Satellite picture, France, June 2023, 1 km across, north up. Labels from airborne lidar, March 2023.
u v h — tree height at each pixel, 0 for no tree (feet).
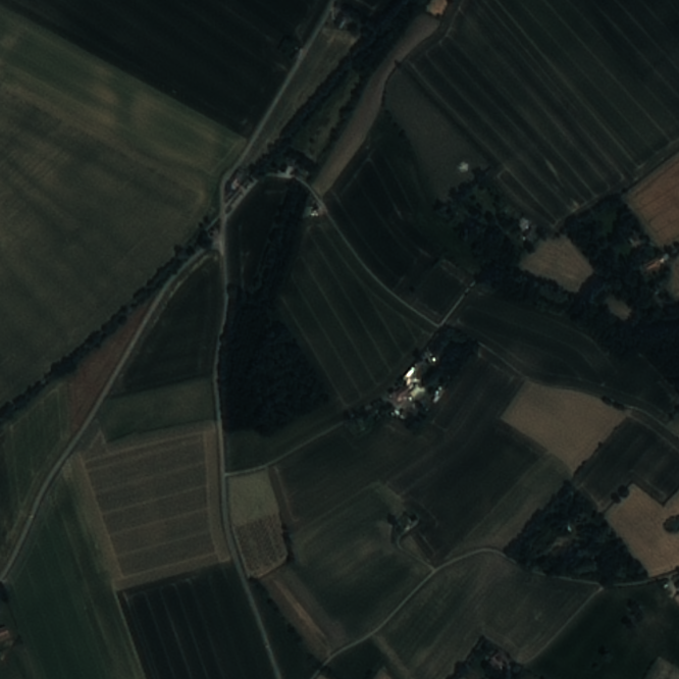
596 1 0
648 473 0
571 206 0
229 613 0
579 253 0
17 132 0
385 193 0
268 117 0
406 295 0
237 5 0
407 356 0
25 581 0
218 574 0
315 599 0
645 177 0
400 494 0
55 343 0
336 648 0
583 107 0
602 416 0
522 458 0
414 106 0
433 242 0
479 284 52
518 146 0
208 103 0
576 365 0
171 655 0
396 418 24
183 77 0
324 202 0
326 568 0
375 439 0
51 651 0
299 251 0
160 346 0
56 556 0
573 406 0
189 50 0
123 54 0
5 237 0
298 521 0
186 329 0
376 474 0
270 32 0
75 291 0
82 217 0
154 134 0
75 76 0
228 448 0
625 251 0
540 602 0
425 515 0
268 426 64
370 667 0
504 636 0
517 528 0
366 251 0
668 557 0
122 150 0
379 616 0
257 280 30
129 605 0
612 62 0
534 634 0
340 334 0
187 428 0
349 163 0
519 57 0
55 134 0
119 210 0
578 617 0
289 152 33
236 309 42
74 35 0
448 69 0
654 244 0
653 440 0
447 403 0
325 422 0
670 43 0
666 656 0
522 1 0
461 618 0
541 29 0
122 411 0
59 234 0
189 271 0
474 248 57
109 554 0
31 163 0
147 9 0
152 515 0
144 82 0
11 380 0
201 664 0
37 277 0
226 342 43
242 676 0
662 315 53
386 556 0
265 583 0
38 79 0
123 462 0
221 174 0
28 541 0
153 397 0
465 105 0
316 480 0
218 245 0
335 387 0
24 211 0
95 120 0
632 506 0
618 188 0
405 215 0
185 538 0
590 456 0
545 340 0
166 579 0
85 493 0
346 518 0
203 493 0
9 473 0
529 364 0
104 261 0
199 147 0
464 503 0
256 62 0
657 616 0
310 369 46
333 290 0
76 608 0
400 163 0
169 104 0
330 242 0
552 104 0
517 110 0
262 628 0
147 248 0
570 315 81
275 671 0
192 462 0
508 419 0
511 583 0
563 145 0
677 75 0
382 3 0
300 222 41
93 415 0
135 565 0
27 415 0
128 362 0
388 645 0
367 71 44
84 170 0
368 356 0
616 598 0
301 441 0
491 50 0
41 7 0
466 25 0
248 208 0
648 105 0
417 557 0
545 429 0
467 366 0
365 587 0
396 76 0
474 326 0
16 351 0
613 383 0
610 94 0
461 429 0
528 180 0
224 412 37
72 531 0
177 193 0
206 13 0
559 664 0
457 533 0
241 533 0
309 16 0
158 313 0
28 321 0
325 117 0
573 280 0
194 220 0
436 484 0
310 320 0
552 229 0
